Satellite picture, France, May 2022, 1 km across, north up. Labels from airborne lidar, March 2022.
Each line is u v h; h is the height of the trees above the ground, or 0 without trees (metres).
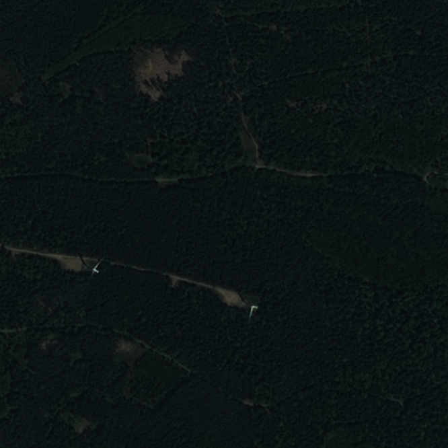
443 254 17
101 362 30
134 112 15
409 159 14
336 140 13
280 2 26
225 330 22
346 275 12
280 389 25
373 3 24
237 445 25
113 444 24
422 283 17
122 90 26
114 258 21
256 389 14
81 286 25
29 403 26
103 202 26
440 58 14
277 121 11
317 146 15
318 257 15
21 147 26
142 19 11
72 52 11
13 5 29
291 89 12
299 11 20
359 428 26
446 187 0
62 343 25
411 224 21
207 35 27
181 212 19
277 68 13
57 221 24
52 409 27
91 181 27
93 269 0
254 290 25
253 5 26
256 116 14
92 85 23
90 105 28
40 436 24
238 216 22
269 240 20
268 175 19
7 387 11
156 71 0
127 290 14
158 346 18
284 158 21
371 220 21
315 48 18
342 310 30
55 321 29
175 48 26
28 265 14
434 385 22
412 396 12
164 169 16
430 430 25
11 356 7
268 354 26
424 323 34
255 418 22
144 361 10
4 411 12
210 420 25
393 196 30
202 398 23
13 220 23
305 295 24
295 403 27
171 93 28
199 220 23
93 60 26
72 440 26
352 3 11
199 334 23
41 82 16
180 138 11
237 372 17
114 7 12
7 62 21
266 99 20
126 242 23
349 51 14
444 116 15
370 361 25
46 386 25
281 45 12
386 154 11
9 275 15
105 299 18
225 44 21
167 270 19
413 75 11
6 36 26
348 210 21
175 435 22
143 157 0
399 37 13
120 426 22
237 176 18
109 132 30
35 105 29
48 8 28
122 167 16
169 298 16
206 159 14
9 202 24
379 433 25
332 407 27
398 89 30
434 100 29
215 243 25
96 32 10
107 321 13
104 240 20
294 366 28
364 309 20
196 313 24
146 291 17
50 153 28
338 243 19
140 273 12
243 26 16
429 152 12
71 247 22
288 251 26
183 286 22
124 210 26
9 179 13
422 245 16
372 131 13
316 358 20
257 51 11
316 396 25
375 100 32
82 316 26
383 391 20
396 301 24
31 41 24
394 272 16
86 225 23
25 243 26
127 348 0
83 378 39
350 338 33
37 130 26
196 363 21
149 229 24
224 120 33
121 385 30
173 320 27
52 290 28
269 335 31
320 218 20
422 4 30
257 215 18
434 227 12
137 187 21
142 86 0
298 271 20
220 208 16
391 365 8
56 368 29
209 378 18
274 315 32
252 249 28
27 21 26
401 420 25
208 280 24
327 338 21
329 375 25
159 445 24
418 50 13
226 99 29
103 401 27
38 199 28
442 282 10
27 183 25
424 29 25
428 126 9
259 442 23
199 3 24
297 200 19
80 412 25
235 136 7
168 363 7
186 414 23
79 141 25
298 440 27
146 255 20
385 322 27
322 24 11
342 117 13
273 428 27
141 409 22
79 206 31
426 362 23
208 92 32
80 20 19
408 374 27
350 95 14
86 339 27
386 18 12
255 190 18
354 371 26
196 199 18
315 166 13
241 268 23
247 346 26
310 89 11
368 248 21
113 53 21
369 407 23
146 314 19
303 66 13
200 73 26
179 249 22
